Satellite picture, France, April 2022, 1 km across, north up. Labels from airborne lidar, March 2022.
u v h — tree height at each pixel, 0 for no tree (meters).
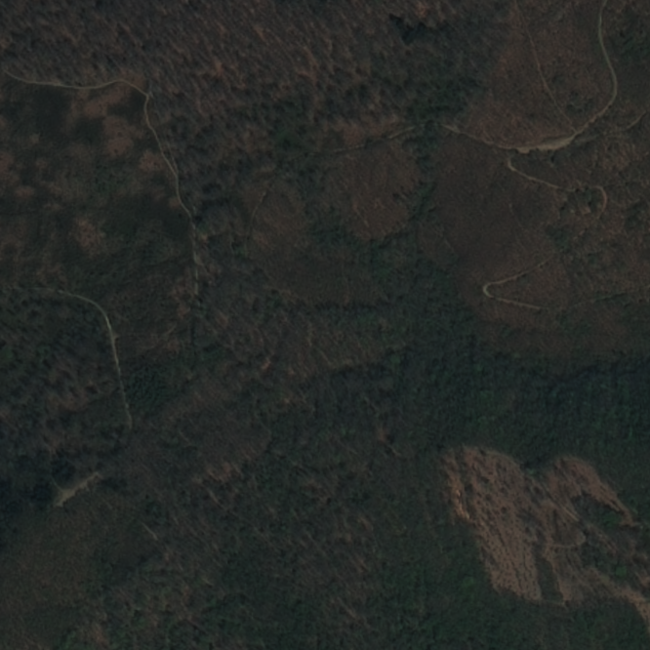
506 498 25
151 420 22
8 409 32
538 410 18
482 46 30
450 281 12
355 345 26
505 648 26
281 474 18
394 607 28
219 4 23
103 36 26
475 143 12
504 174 12
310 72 33
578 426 23
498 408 22
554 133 13
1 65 9
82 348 31
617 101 6
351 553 31
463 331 26
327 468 10
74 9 27
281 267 11
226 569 21
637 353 13
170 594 26
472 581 25
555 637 25
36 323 30
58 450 6
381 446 28
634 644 25
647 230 11
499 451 22
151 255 11
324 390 33
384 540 27
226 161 0
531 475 25
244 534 20
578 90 7
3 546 12
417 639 30
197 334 21
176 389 10
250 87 33
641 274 13
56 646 10
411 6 33
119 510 12
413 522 27
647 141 13
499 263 12
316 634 24
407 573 26
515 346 15
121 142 0
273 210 17
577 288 15
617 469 21
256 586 21
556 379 20
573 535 0
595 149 13
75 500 10
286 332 31
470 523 16
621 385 20
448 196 12
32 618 12
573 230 10
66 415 0
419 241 11
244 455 24
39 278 6
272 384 31
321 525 26
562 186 10
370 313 35
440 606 27
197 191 31
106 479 25
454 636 24
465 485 16
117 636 30
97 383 10
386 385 35
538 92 10
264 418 16
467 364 18
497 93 13
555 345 17
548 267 11
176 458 25
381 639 30
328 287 13
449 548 21
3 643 13
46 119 0
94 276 9
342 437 29
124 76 31
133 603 23
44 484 19
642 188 10
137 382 7
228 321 23
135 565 10
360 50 28
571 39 9
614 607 22
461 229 13
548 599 15
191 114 32
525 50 8
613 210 10
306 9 29
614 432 28
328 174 11
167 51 27
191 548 23
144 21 16
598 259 15
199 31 26
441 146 30
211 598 25
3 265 0
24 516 13
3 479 24
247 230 6
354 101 32
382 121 27
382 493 15
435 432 18
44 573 14
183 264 0
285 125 29
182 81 26
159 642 24
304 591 21
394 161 18
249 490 19
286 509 20
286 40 29
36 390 32
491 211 13
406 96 38
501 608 24
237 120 34
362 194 11
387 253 24
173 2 25
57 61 25
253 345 26
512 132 14
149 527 10
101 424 8
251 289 18
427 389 19
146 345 6
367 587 34
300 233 11
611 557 27
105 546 14
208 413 28
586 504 24
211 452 25
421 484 16
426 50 29
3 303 31
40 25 25
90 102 0
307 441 26
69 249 0
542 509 24
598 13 12
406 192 10
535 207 16
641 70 9
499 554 0
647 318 13
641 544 28
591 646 26
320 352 26
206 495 24
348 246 6
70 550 14
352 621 29
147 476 28
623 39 6
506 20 31
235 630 22
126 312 11
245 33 31
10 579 13
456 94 26
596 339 14
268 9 22
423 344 26
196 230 25
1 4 22
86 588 11
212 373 21
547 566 17
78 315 22
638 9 6
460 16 30
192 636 20
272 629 20
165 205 0
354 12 34
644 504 23
